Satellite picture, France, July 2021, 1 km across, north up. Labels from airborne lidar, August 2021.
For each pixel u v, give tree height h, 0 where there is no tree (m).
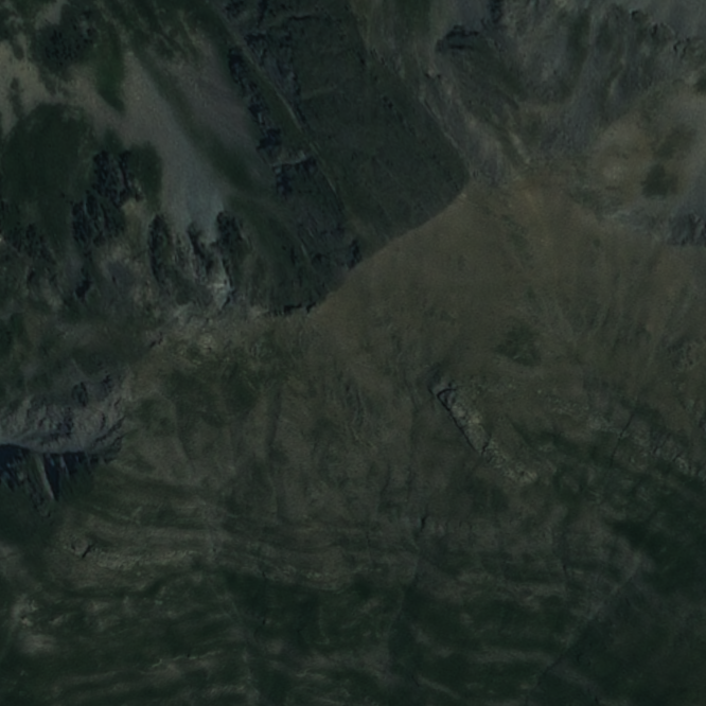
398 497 0
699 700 0
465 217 0
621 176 0
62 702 0
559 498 0
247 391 0
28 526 0
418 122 0
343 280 0
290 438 0
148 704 0
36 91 0
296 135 0
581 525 0
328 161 0
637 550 0
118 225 6
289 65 0
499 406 0
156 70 0
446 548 0
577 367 0
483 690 0
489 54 0
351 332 0
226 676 0
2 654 0
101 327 0
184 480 0
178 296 0
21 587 0
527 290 0
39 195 0
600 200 0
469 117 0
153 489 0
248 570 0
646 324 0
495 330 0
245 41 0
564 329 0
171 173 0
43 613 0
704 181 0
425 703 0
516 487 0
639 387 0
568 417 0
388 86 0
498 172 0
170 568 0
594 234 0
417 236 0
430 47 0
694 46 0
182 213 0
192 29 0
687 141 0
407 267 0
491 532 0
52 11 0
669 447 0
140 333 0
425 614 0
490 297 0
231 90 0
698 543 0
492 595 0
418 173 0
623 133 0
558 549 0
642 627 0
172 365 0
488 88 0
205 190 0
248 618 0
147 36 0
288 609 0
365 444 0
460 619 0
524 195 0
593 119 0
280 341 0
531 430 0
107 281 0
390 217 0
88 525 0
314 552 0
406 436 0
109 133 0
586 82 0
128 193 6
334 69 0
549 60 0
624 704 0
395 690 0
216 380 0
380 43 0
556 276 0
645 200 0
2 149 0
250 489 0
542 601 0
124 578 0
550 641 0
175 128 0
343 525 0
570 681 0
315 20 0
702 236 0
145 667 0
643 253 0
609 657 0
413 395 0
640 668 0
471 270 0
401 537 0
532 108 0
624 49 0
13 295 0
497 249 0
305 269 0
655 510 0
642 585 0
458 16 0
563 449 0
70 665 0
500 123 0
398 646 0
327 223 0
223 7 0
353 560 0
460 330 0
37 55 0
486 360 0
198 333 0
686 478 0
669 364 0
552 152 0
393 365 0
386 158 0
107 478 0
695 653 0
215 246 0
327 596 0
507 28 0
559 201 0
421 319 0
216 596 0
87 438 0
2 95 0
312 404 0
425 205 0
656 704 0
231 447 0
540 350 0
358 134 0
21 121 0
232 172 0
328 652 0
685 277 0
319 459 0
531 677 0
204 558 0
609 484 0
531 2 0
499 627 0
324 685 0
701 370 0
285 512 0
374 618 0
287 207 0
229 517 0
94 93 0
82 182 0
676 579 0
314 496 0
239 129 0
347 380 0
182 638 0
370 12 0
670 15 0
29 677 0
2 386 0
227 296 0
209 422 0
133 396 0
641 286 0
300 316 0
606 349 0
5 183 0
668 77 0
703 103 0
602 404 0
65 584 0
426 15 0
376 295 0
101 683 0
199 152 0
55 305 0
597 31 0
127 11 0
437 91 0
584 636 0
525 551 0
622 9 0
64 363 0
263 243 0
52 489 0
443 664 0
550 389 0
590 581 0
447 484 0
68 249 0
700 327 0
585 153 0
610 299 0
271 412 0
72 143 0
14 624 0
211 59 0
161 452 0
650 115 0
